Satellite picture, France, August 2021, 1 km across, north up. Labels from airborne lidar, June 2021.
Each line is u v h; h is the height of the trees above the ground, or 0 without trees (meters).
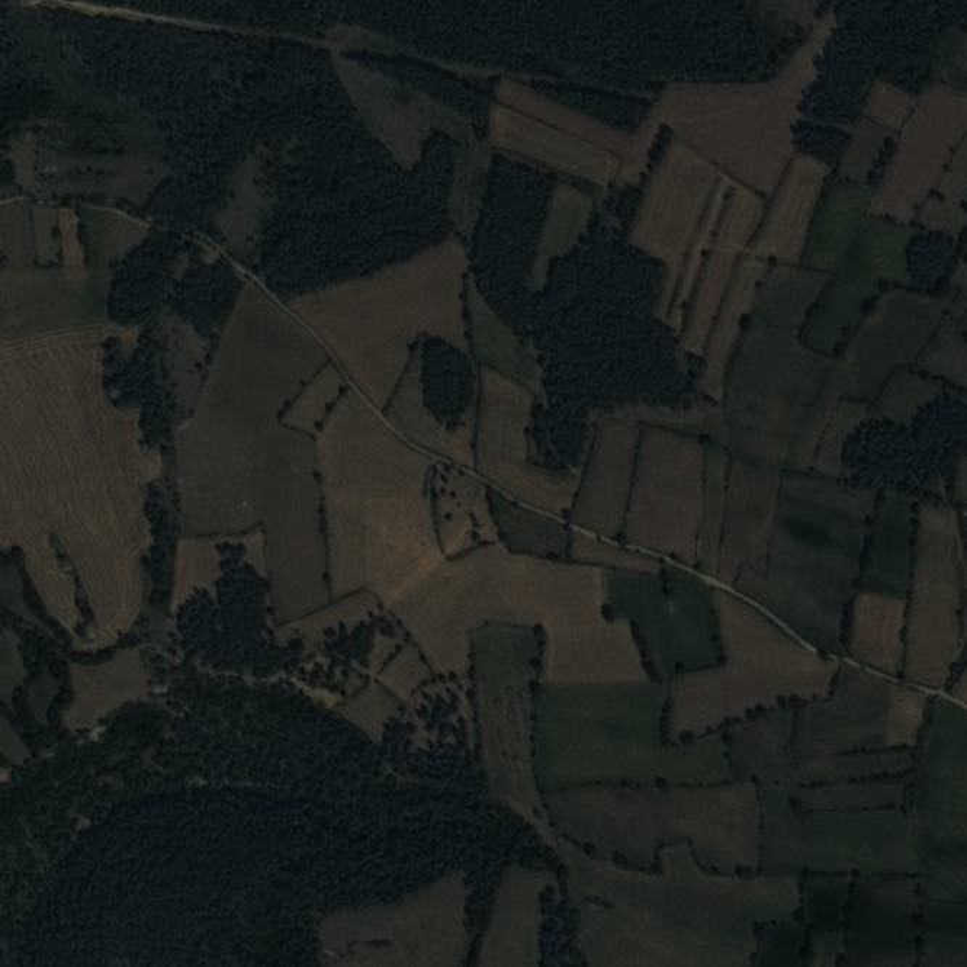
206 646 15
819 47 0
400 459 0
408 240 15
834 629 0
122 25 9
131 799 10
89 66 10
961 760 0
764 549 0
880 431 13
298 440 0
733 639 0
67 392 0
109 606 0
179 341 0
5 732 0
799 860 0
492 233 18
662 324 11
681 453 0
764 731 0
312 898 17
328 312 0
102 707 0
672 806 0
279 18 14
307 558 0
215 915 9
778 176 0
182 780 12
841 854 0
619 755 0
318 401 0
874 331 0
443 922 0
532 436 7
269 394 0
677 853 0
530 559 0
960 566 0
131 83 12
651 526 0
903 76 14
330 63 14
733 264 0
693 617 0
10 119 6
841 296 0
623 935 0
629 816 0
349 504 0
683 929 0
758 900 0
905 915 0
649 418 0
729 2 17
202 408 0
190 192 10
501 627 0
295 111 11
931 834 0
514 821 8
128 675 0
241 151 16
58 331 0
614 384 15
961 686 0
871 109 0
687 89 0
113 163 0
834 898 0
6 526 0
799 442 0
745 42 18
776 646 0
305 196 11
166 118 7
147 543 0
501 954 0
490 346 0
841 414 0
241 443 0
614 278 18
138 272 16
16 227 0
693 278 0
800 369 0
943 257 13
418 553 0
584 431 15
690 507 0
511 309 16
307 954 8
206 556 0
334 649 14
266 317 0
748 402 0
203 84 8
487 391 0
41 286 0
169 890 14
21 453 0
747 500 0
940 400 11
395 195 17
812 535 0
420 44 19
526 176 18
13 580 0
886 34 19
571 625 0
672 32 19
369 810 12
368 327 0
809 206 0
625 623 0
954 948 0
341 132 10
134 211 7
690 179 0
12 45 8
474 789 13
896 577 0
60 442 0
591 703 0
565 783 0
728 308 0
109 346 10
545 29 18
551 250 0
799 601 0
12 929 11
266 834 19
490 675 0
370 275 9
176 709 9
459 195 0
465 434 0
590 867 0
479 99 11
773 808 0
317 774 13
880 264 0
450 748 11
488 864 14
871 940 0
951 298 0
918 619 0
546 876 0
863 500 0
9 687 0
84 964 8
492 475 0
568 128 0
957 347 0
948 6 15
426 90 16
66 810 9
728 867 0
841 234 0
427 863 15
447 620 0
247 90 17
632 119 17
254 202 0
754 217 0
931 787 0
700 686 0
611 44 14
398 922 0
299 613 0
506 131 0
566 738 0
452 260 0
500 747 0
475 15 20
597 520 0
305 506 0
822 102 18
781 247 0
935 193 9
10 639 0
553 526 0
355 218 18
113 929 11
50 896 15
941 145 0
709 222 0
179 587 0
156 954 12
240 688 8
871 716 0
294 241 16
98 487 0
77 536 0
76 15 7
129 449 0
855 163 0
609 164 0
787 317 0
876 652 0
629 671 0
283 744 9
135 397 14
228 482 0
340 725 9
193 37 9
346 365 0
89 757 8
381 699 0
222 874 13
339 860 23
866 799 0
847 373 0
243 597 16
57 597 0
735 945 0
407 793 11
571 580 0
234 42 15
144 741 7
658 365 17
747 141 0
